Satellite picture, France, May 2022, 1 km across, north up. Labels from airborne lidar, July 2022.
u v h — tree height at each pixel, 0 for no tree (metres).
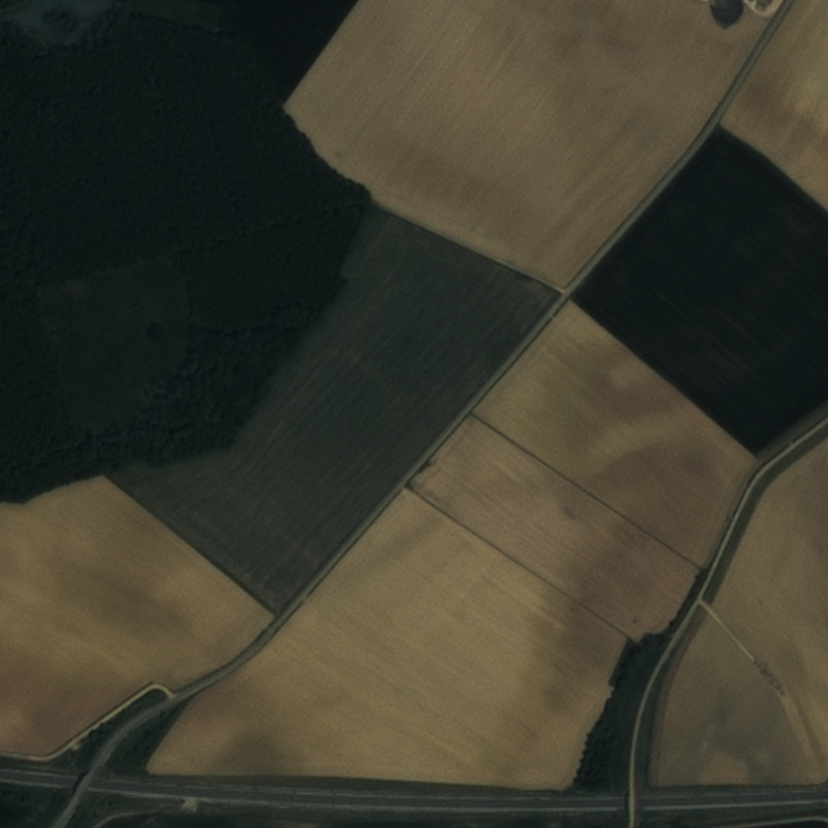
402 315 0
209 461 0
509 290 0
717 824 0
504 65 0
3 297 24
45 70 21
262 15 0
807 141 0
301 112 0
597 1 0
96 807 0
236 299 9
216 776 0
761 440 0
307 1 0
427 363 0
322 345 0
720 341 0
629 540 0
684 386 0
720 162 0
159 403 25
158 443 23
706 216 0
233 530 0
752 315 0
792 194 0
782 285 0
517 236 0
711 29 0
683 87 0
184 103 19
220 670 0
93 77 20
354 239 15
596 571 0
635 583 0
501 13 0
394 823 0
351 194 19
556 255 0
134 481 0
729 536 0
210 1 0
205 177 21
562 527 0
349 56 0
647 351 0
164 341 25
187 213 21
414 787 0
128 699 0
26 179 21
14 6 10
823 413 0
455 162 0
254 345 19
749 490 0
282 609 0
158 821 0
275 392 0
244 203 20
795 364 0
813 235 0
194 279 8
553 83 0
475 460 0
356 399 0
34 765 0
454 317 0
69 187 18
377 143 0
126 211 19
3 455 16
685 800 0
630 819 0
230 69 22
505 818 0
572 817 0
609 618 0
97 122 19
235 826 0
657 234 0
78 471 16
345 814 0
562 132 0
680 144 0
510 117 0
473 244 0
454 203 0
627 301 0
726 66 0
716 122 0
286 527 0
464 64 0
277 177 21
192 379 22
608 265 0
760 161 0
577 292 0
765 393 0
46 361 16
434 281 0
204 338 24
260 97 20
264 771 0
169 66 19
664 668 0
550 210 0
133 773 0
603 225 0
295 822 0
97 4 0
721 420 0
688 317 0
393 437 0
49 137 19
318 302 10
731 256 0
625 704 0
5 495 20
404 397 0
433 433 0
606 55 0
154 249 18
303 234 11
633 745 0
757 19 0
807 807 0
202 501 0
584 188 0
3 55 18
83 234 20
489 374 0
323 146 0
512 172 0
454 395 0
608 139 0
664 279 0
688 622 0
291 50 0
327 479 0
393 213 0
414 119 0
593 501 0
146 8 0
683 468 0
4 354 17
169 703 0
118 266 18
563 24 0
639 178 0
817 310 0
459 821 0
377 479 0
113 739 0
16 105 21
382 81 0
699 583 5
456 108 0
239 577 0
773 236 0
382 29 0
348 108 0
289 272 10
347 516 0
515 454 0
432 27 0
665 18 0
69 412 14
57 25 11
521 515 0
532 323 0
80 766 0
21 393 18
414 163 0
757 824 0
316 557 0
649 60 0
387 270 0
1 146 20
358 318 0
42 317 10
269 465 0
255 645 0
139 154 20
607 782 6
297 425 0
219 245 11
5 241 22
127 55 21
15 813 0
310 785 0
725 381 0
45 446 13
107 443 11
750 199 0
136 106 21
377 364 0
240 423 16
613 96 0
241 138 24
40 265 19
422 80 0
